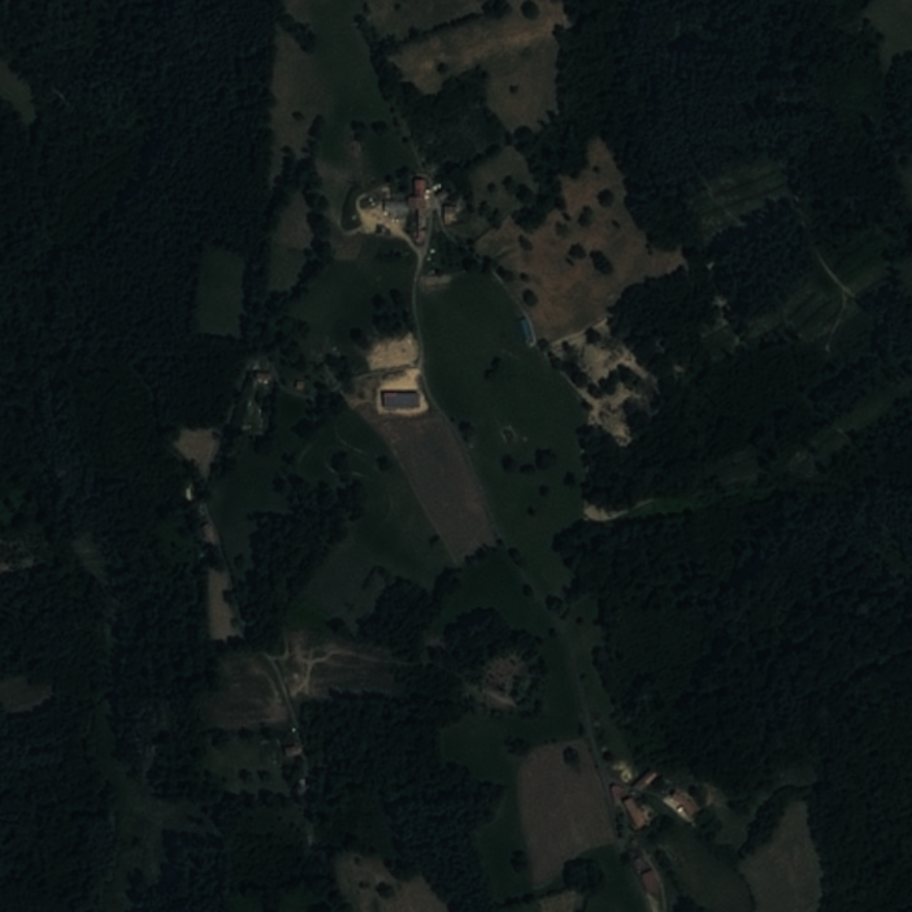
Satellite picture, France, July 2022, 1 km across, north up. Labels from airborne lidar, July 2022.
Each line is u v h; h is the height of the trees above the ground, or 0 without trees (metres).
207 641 22
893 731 23
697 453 18
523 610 0
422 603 21
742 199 0
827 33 14
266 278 22
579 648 0
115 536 24
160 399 12
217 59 28
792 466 0
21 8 17
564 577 0
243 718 0
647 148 33
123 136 24
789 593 26
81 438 5
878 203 14
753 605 26
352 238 0
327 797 15
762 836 20
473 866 34
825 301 0
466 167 10
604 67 9
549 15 0
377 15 0
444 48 0
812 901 0
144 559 13
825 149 22
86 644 17
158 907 23
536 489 0
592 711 0
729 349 0
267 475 0
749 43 39
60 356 6
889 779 25
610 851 0
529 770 0
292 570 22
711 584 27
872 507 32
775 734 26
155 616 21
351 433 0
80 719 14
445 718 17
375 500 0
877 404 0
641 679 6
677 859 0
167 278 13
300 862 9
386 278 0
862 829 19
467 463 0
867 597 30
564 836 0
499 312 0
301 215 0
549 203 18
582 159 18
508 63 0
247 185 16
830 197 22
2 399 21
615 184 0
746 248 36
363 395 0
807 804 9
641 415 23
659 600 23
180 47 30
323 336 0
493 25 0
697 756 7
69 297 7
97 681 18
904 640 36
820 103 27
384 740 20
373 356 0
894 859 28
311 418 14
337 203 0
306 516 23
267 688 0
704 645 7
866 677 31
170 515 26
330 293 0
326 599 0
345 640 25
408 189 13
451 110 5
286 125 0
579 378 19
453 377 0
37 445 27
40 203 23
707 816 8
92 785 27
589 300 0
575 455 0
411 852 32
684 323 14
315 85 0
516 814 0
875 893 23
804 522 24
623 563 29
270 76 17
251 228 17
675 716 6
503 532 0
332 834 6
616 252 0
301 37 10
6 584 26
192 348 10
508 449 0
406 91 19
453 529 0
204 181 18
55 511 22
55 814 24
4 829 25
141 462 6
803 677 31
